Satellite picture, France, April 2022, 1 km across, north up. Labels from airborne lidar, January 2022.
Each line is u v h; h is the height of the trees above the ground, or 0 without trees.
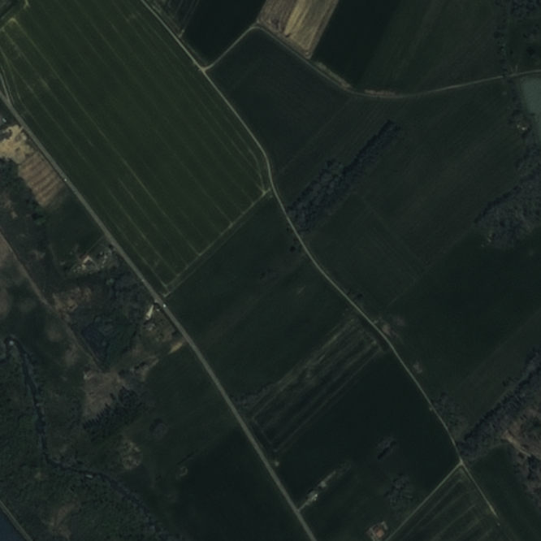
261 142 0
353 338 0
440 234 0
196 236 0
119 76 0
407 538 0
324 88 0
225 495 0
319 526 0
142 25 0
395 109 0
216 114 0
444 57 0
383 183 0
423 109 0
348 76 0
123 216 0
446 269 0
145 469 0
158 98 0
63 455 0
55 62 0
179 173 0
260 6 0
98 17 0
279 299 0
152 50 0
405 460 0
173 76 0
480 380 0
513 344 0
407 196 0
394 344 0
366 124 0
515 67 0
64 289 0
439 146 0
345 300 0
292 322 0
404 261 0
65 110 0
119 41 0
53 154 0
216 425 0
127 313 28
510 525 0
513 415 18
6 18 0
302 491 0
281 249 0
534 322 0
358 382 0
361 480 0
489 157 0
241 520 0
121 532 6
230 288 0
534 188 22
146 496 0
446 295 0
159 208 0
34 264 0
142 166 0
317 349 0
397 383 0
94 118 0
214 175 0
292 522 0
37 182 0
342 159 0
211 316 0
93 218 0
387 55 0
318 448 0
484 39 0
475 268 0
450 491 0
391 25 0
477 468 0
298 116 0
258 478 0
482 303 0
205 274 0
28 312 0
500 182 0
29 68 0
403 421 0
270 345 0
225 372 0
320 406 0
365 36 0
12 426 8
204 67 0
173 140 0
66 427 0
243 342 0
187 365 0
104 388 0
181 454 0
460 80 0
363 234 0
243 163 0
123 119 0
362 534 0
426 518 0
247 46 0
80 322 0
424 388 0
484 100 0
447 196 0
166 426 18
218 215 0
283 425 0
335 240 0
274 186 0
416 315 0
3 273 0
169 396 0
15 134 0
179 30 0
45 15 0
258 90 0
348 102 0
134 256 0
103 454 0
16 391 0
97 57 0
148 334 0
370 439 0
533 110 0
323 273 0
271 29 0
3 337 0
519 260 0
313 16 0
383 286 0
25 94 0
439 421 0
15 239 0
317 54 0
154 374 0
